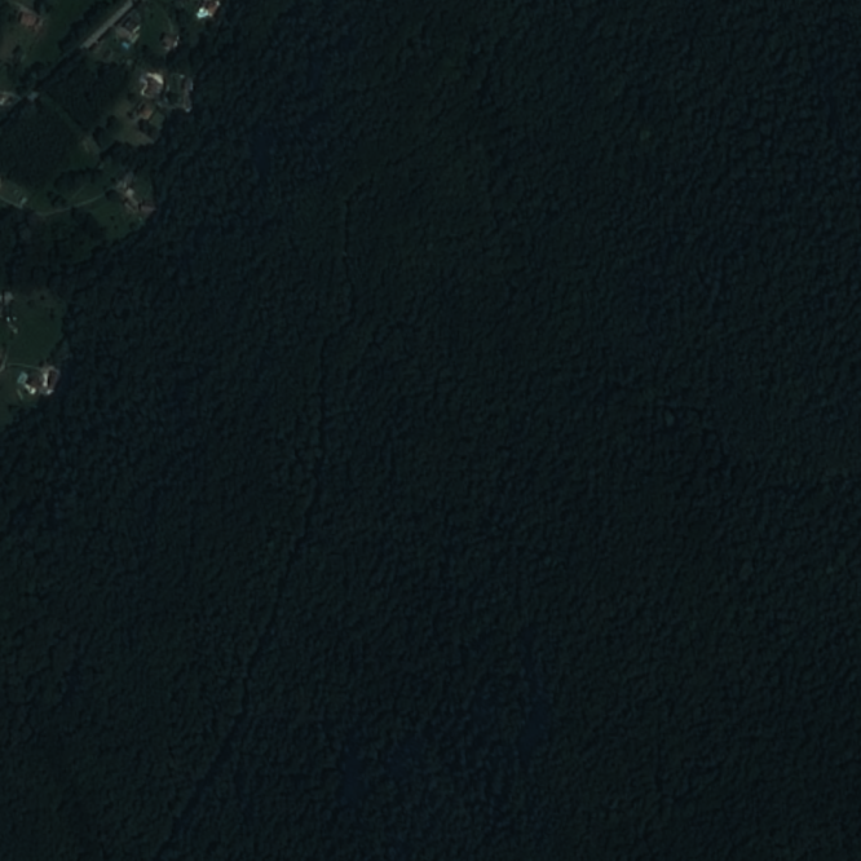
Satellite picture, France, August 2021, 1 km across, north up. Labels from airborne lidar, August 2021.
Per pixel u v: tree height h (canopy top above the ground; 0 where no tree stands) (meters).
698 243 22
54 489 19
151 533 18
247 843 27
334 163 13
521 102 24
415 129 24
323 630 26
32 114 28
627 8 26
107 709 34
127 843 24
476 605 28
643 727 31
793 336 22
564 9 24
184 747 20
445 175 23
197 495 24
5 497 18
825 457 19
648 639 27
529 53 22
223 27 8
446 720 23
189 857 31
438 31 19
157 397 27
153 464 32
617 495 25
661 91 23
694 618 29
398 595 27
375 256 18
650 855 22
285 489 18
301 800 25
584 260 23
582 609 26
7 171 19
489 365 30
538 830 12
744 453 26
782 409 23
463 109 21
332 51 13
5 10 23
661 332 16
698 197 30
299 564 24
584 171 25
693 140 24
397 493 19
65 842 26
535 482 31
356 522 26
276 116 21
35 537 36
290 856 28
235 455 27
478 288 29
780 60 22
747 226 25
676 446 37
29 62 0
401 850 12
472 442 28
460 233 24
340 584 24
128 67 10
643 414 31
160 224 16
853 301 28
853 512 29
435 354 26
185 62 17
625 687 25
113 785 27
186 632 26
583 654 28
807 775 27
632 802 18
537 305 29
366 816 24
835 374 21
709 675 27
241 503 29
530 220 24
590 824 18
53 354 9
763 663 24
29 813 8
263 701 25
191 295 28
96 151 0
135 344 30
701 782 35
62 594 29
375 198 16
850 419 14
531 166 27
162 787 21
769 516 24
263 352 12
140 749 29
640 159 25
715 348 20
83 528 30
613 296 24
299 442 26
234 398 25
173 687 23
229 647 22
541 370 22
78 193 0
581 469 27
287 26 14
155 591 28
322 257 17
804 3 27
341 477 11
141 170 20
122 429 35
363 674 30
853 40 25
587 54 25
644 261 18
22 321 0
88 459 30
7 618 27
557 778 26
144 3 14
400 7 13
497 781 24
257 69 21
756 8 20
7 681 28
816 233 23
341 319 22
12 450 29
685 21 26
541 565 32
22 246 11
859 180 13
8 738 25
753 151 31
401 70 19
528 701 23
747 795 25
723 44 22
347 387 19
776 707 29
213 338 22
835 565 28
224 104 18
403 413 16
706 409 22
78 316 20
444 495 26
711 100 25
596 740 16
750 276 31
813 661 29
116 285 31
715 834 23
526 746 16
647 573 28
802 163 28
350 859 24
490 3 22
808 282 25
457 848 15
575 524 25
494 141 17
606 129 20
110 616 22
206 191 25
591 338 24
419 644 26
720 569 29
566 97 18
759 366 22
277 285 28
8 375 0
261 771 24
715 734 33
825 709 33
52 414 26
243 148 25
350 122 14
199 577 22
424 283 23
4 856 16
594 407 29
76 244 13
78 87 19
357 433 25
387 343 26
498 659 27
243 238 15
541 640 28
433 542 25
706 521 33
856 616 29
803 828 25
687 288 19
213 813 28
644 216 23
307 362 19
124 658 20
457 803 21
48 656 22
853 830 25
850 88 26
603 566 30
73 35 11
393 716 27
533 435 25
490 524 21
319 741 27
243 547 25
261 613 22
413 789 14
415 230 20
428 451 22
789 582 29
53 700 31
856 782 27
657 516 28
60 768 32
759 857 25
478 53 19
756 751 29
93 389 30
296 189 11
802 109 30
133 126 0
